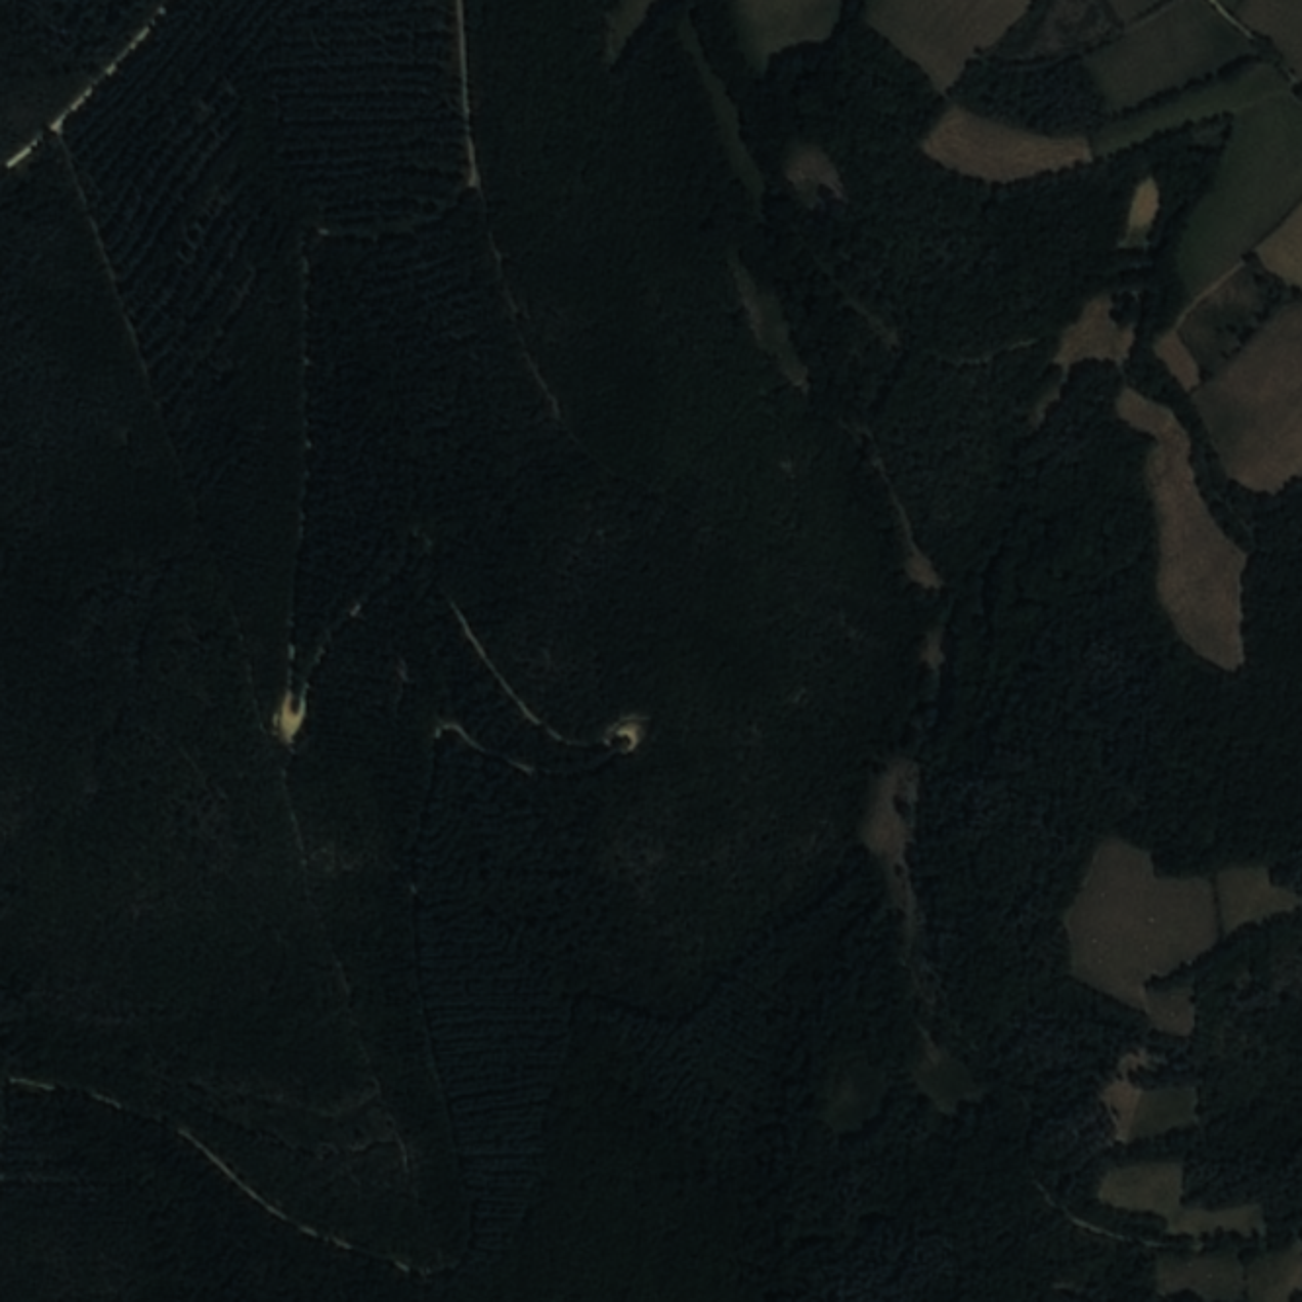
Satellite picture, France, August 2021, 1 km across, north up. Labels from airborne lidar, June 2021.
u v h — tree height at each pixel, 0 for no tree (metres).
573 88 14
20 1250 8
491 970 29
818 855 7
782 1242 26
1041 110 9
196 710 17
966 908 13
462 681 15
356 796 8
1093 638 15
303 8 16
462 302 11
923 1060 11
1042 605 10
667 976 11
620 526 8
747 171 0
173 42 16
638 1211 12
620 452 14
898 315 11
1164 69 0
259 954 12
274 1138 12
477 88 11
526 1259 17
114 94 18
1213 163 13
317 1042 13
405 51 13
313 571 17
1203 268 0
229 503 13
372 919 11
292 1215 11
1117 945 0
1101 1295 18
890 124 10
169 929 14
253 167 16
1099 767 8
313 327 15
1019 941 10
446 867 30
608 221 12
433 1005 22
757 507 13
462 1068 24
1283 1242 13
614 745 12
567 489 11
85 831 18
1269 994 14
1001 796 18
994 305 13
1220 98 0
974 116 0
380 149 18
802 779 12
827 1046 21
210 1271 13
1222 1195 7
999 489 15
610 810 6
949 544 16
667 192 15
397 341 15
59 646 19
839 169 13
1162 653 14
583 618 10
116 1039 13
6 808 10
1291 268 0
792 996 19
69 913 12
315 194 16
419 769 15
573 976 15
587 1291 19
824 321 18
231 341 10
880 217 14
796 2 0
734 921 15
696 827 8
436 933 20
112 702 17
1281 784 13
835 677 9
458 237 14
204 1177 19
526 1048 27
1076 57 8
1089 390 11
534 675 6
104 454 12
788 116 21
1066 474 14
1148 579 11
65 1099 18
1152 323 12
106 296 13
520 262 11
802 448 11
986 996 10
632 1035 24
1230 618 0
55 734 17
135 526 16
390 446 19
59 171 14
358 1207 11
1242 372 0
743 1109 9
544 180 15
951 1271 15
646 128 18
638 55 18
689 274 7
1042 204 13
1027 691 9
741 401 17
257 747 15
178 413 10
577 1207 19
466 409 11
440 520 15
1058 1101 14
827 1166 21
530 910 13
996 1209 9
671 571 11
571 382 10
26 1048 14
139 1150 18
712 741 10
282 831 12
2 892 15
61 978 13
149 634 20
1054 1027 17
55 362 16
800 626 8
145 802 14
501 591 12
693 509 11
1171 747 12
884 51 14
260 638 10
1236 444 0
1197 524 0
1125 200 14
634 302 11
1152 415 0
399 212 14
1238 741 10
